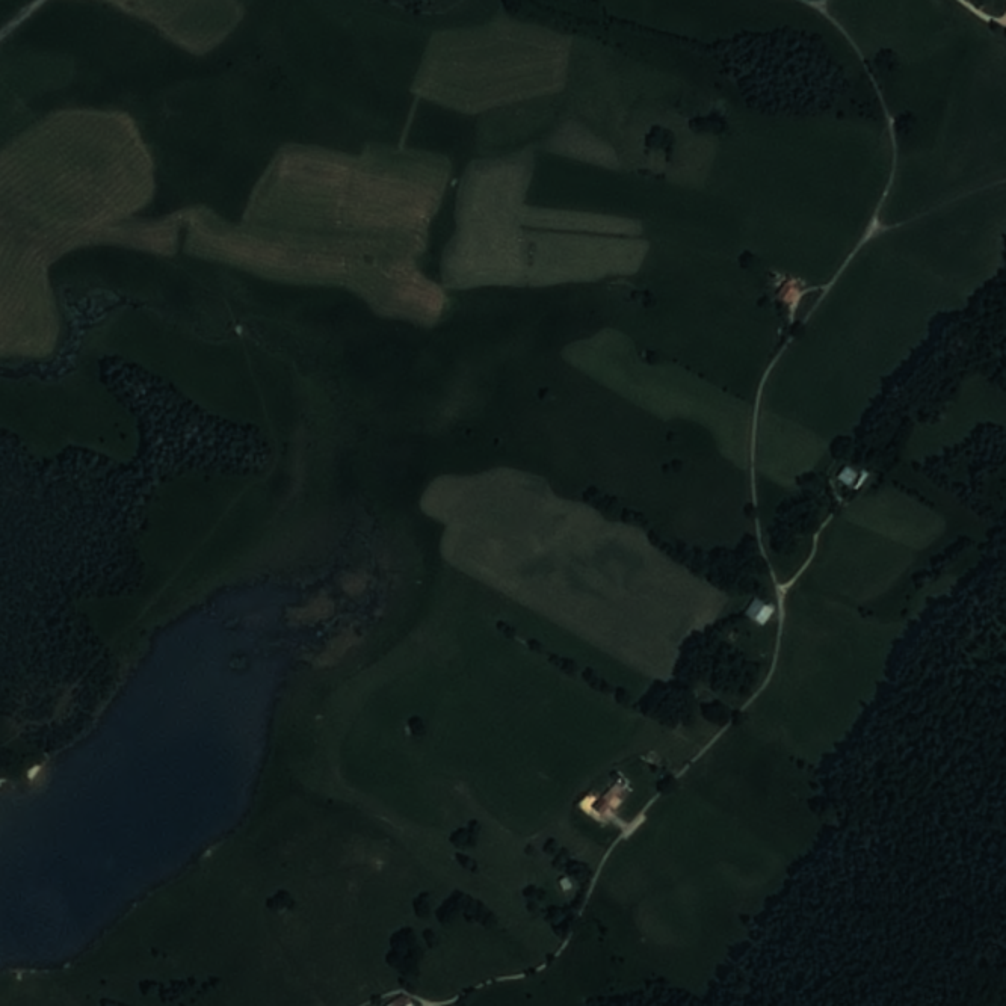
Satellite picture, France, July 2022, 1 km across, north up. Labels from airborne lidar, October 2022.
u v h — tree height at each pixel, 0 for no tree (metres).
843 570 0
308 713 0
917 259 0
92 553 6
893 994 18
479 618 0
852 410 0
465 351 0
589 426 0
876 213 0
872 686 0
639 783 0
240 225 0
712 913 0
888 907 24
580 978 0
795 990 19
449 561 0
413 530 0
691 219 0
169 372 0
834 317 0
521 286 0
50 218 0
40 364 0
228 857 0
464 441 0
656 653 0
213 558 0
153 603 0
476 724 0
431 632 0
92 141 0
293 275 0
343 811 0
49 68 0
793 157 0
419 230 0
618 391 0
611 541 0
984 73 0
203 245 0
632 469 0
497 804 0
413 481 0
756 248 0
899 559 0
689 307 0
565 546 0
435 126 0
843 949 20
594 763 0
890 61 16
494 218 0
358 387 0
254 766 0
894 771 25
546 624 0
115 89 0
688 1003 20
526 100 0
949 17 0
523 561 0
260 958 0
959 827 15
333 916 0
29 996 0
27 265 0
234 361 0
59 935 0
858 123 0
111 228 0
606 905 0
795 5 0
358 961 0
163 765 0
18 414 0
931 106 0
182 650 0
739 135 0
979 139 0
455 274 0
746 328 0
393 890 0
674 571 0
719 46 11
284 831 0
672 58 0
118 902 0
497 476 0
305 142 0
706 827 0
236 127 0
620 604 0
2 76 0
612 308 0
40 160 0
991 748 26
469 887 0
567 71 0
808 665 0
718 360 0
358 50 0
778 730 0
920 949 26
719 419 0
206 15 0
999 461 14
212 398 0
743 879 0
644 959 0
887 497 0
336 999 0
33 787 0
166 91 0
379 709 0
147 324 0
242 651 0
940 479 17
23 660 7
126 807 0
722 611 0
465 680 0
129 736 0
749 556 20
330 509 0
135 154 0
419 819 0
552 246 0
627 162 0
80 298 0
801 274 0
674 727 17
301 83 0
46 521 7
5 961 0
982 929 25
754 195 0
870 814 30
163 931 0
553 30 0
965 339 20
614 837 0
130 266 0
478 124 0
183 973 0
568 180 0
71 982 0
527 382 0
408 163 0
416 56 0
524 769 0
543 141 0
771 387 0
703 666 22
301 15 0
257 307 0
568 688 0
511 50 0
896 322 0
